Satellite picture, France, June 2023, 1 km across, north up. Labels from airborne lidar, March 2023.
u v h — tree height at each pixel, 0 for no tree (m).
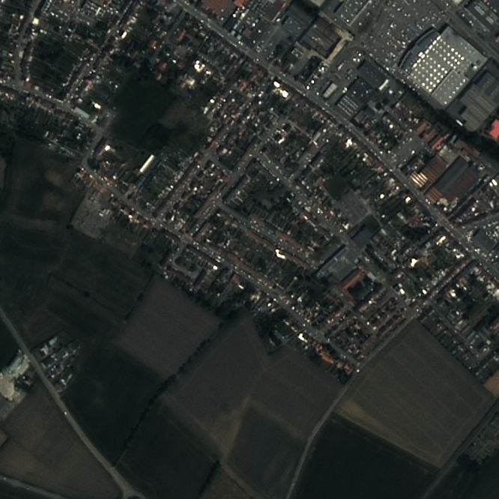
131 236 0
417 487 0
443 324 0
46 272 0
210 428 0
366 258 0
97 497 0
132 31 0
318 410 0
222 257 0
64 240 0
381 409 0
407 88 6
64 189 0
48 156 0
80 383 0
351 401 0
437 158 0
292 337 0
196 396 0
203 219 0
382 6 0
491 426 0
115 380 0
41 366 0
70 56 0
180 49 0
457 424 0
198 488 0
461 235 0
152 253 7
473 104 0
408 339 0
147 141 0
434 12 0
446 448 0
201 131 0
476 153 0
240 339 0
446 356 0
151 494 0
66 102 0
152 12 11
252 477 0
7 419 0
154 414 0
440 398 0
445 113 9
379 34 0
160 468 0
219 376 0
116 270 0
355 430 0
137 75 0
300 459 0
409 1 0
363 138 0
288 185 0
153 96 0
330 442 0
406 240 0
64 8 0
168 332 0
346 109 0
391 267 0
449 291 0
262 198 0
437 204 0
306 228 0
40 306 0
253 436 0
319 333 0
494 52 0
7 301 0
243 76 6
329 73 0
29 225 0
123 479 0
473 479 0
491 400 0
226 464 0
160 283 0
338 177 0
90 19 0
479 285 0
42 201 0
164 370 0
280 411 0
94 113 0
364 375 0
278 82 0
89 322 0
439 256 0
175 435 0
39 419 0
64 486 0
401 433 0
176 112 0
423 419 0
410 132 0
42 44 9
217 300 0
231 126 0
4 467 0
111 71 0
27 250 0
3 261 0
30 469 0
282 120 0
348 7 0
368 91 0
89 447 0
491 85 0
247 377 0
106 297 0
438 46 0
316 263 0
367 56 0
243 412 0
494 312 8
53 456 0
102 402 0
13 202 0
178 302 0
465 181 0
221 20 0
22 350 0
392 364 0
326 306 8
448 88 0
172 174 0
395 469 0
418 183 0
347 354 0
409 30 0
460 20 0
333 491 0
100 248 0
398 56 0
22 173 0
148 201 0
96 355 0
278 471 0
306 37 0
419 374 0
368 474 0
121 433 0
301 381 0
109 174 0
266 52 0
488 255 0
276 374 0
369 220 0
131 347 0
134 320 0
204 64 0
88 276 0
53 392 0
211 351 0
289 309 0
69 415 0
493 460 0
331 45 0
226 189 0
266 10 0
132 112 0
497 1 0
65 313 0
